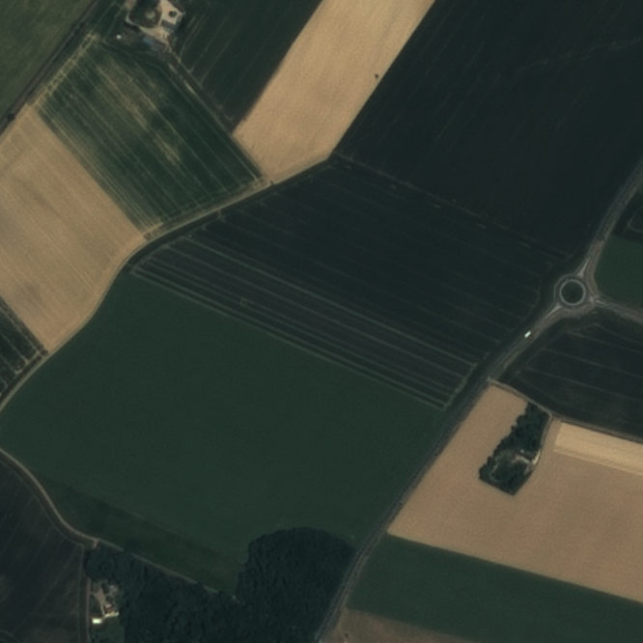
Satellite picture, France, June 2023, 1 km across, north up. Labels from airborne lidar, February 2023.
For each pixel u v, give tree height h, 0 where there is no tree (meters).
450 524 0
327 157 0
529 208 0
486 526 0
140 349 0
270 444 0
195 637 22
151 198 0
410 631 0
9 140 0
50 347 0
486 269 0
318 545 19
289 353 0
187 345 0
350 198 0
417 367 0
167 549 0
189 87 0
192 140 0
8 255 0
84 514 0
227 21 0
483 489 0
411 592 0
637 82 0
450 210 0
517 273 0
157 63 0
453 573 0
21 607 0
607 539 0
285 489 0
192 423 0
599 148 0
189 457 0
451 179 0
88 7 0
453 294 0
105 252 0
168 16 0
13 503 0
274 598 22
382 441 0
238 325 0
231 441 0
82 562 0
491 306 0
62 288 0
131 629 21
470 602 0
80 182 0
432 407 0
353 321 0
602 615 0
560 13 0
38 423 0
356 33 0
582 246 0
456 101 0
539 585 0
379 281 0
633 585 0
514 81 0
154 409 0
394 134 0
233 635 15
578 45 0
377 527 0
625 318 0
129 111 0
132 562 18
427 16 0
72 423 0
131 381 0
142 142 0
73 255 0
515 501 0
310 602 20
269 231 0
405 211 0
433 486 0
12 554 0
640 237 0
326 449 0
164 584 25
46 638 0
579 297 0
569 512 0
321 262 0
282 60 0
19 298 0
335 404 0
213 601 22
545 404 0
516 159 0
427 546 0
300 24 0
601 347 0
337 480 0
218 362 0
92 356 0
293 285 0
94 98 0
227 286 0
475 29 0
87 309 0
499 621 0
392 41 0
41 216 0
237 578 0
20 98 0
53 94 0
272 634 10
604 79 0
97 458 0
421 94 0
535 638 0
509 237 0
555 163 0
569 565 0
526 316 0
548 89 0
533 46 0
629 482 0
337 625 0
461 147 0
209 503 0
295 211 0
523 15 0
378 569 0
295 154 0
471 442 0
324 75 0
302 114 0
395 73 0
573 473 0
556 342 0
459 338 0
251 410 0
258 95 0
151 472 0
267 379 0
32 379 0
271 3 0
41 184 0
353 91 0
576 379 0
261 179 0
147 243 0
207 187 0
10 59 0
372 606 0
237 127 0
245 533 0
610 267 0
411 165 0
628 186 0
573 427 0
